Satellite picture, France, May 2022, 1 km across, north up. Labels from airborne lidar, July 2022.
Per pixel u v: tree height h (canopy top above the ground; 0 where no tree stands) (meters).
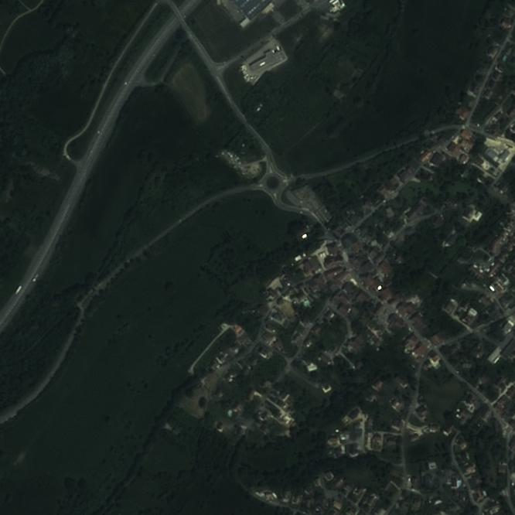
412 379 14
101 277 10
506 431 0
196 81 0
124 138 0
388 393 0
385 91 0
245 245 0
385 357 0
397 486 0
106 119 0
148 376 0
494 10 0
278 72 0
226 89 0
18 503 0
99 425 0
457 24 0
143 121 0
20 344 7
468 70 0
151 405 0
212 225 0
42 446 0
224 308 8
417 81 0
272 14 0
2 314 0
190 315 0
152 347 0
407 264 12
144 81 0
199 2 0
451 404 0
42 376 6
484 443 8
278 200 0
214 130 0
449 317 6
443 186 8
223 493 0
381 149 0
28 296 10
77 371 0
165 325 0
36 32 0
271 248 0
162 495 8
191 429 8
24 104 8
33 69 22
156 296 0
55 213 0
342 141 0
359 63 6
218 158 0
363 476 0
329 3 0
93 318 0
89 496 6
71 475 0
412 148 10
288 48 0
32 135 0
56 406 0
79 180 0
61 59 21
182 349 7
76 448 0
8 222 13
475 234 14
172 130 0
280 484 11
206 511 0
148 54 0
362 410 11
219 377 0
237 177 0
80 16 0
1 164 18
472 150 9
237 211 0
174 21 0
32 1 0
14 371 16
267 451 7
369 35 11
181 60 5
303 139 0
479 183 7
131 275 0
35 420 0
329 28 0
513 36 0
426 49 0
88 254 0
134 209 9
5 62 0
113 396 0
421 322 0
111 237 0
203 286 0
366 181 15
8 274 7
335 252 0
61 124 0
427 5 0
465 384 10
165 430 7
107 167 0
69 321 17
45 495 0
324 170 0
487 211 6
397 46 0
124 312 0
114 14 0
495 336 8
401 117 0
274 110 6
